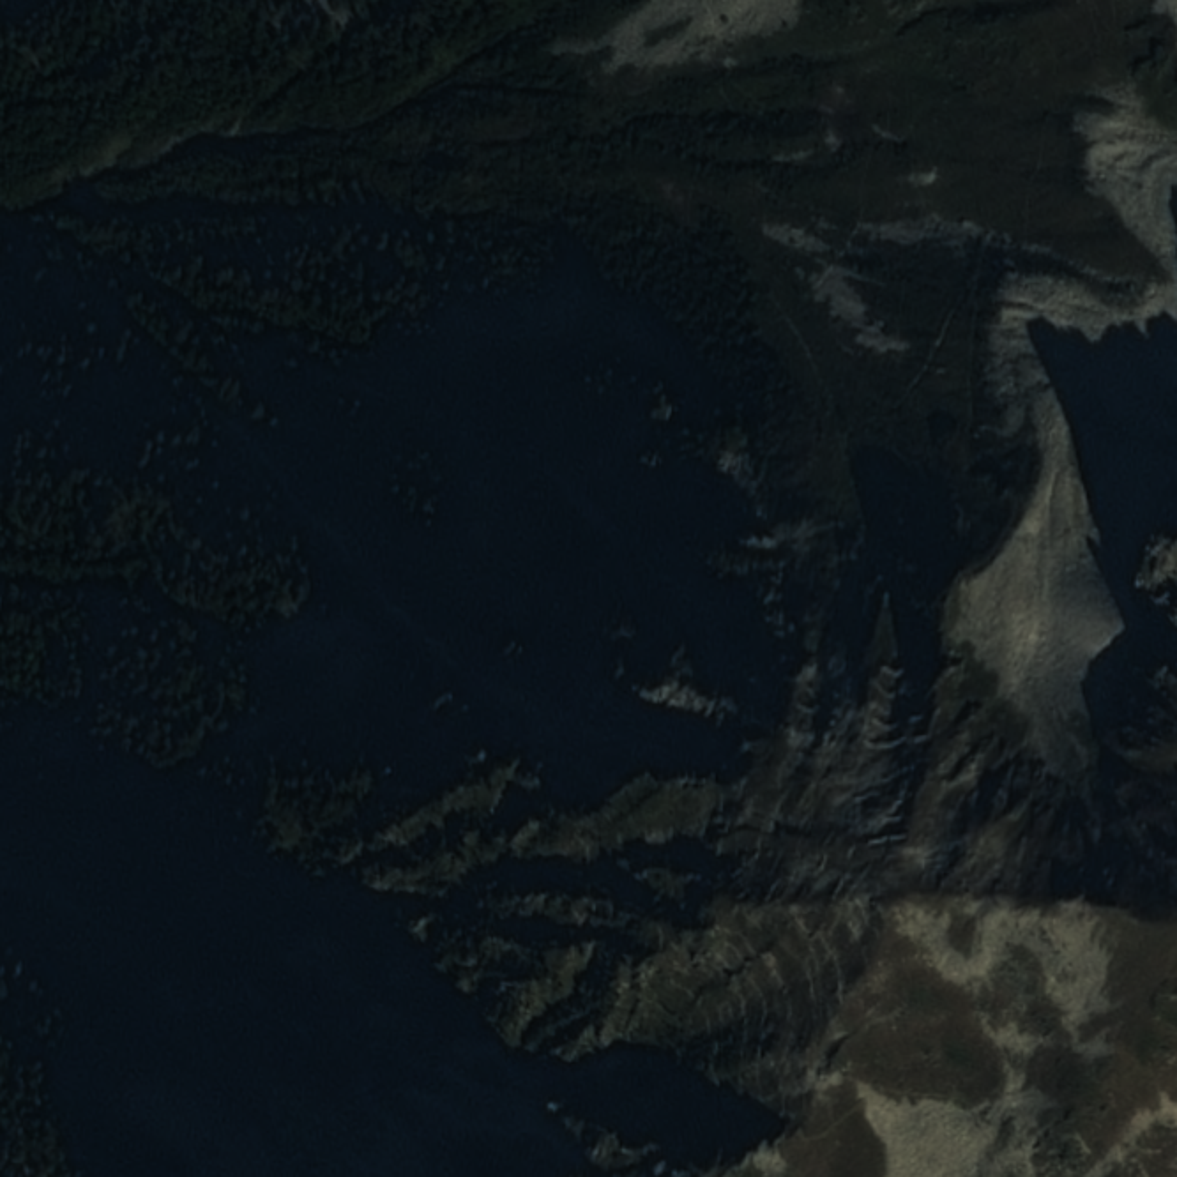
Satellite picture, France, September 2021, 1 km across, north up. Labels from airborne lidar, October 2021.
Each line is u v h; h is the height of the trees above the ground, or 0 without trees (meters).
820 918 0
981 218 0
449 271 11
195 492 13
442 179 6
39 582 9
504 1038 7
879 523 0
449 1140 0
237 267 14
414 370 6
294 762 10
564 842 0
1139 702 0
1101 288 0
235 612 10
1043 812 0
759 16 0
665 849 0
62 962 9
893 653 0
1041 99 0
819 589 0
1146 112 0
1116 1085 0
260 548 9
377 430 14
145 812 17
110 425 10
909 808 0
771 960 0
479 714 8
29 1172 0
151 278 9
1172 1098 0
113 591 12
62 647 7
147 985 6
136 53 26
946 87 0
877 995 0
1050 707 0
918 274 0
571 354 8
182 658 12
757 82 0
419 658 9
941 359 0
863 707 0
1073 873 0
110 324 9
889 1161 0
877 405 0
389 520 11
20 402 11
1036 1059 0
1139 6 0
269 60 11
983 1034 0
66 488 34
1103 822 0
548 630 8
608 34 0
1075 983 0
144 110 6
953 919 0
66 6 18
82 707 11
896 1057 0
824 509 0
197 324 9
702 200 0
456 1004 5
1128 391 0
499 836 9
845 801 0
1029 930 0
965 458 0
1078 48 0
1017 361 0
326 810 11
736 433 7
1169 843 0
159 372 10
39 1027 7
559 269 6
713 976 0
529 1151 0
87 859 7
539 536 6
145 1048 7
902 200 0
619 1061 0
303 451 6
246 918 7
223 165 7
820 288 0
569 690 7
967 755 0
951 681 0
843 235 0
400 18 7
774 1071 0
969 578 0
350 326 12
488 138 0
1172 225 0
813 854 0
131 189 7
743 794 0
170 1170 5
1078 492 0
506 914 7
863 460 0
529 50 5
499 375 8
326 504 17
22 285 9
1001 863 0
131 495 9
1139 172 0
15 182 7
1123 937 0
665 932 0
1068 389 0
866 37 0
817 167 0
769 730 0
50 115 14
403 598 10
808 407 0
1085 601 0
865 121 0
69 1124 11
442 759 8
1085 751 0
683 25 0
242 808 10
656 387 13
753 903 0
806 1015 0
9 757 7
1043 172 0
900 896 0
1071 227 0
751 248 0
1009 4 0
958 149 0
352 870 10
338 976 0
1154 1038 0
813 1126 0
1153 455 0
